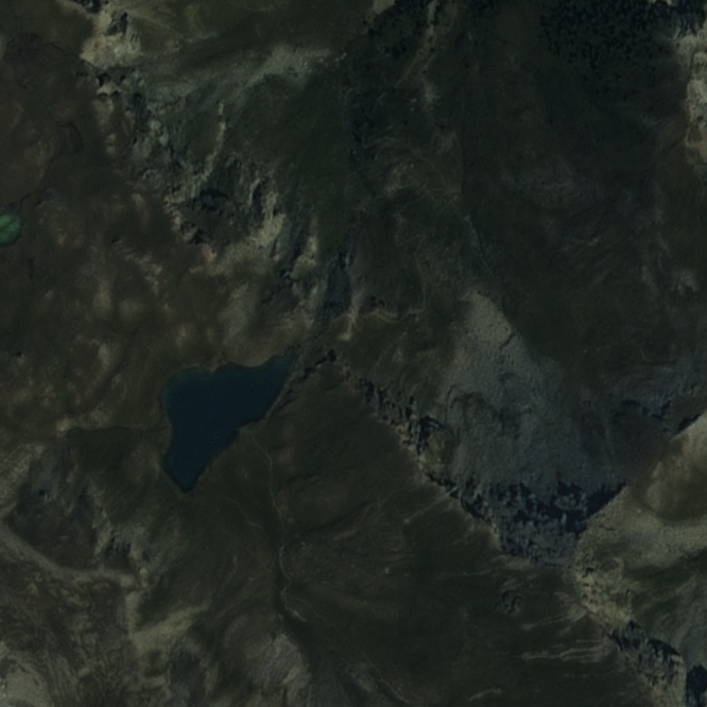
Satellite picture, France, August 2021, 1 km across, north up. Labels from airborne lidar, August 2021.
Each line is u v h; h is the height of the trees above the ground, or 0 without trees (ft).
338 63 0
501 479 0
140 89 0
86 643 0
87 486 0
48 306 0
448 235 0
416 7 36
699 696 0
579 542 0
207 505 0
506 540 0
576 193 0
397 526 0
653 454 0
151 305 0
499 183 0
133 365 0
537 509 0
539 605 0
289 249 0
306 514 0
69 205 0
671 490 0
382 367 0
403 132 0
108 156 0
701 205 0
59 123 0
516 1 0
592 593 0
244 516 0
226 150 0
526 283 0
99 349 0
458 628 0
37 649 0
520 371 0
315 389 0
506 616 0
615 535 0
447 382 0
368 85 0
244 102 0
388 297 0
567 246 0
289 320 0
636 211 0
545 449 0
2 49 0
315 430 0
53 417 0
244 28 0
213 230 0
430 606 0
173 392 0
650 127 0
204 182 0
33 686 0
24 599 0
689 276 0
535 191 0
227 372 0
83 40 0
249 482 0
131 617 0
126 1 0
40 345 0
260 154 0
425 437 0
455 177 0
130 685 0
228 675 0
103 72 0
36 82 0
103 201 0
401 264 0
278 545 0
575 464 0
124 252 0
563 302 0
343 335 0
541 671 0
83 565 0
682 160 0
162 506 0
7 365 0
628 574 0
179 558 0
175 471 0
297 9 0
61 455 0
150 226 0
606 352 0
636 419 0
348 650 0
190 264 0
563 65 0
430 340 0
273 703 0
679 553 0
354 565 0
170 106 0
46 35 0
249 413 0
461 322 0
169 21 0
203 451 0
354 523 0
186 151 0
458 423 0
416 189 0
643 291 0
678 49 0
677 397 0
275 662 0
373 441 0
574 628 0
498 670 0
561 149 0
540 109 0
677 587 0
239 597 0
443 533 0
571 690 0
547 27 30
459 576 0
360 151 0
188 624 0
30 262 0
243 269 0
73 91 0
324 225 0
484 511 0
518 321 0
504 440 0
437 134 0
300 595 0
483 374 0
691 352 0
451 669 0
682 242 0
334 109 0
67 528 0
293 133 0
